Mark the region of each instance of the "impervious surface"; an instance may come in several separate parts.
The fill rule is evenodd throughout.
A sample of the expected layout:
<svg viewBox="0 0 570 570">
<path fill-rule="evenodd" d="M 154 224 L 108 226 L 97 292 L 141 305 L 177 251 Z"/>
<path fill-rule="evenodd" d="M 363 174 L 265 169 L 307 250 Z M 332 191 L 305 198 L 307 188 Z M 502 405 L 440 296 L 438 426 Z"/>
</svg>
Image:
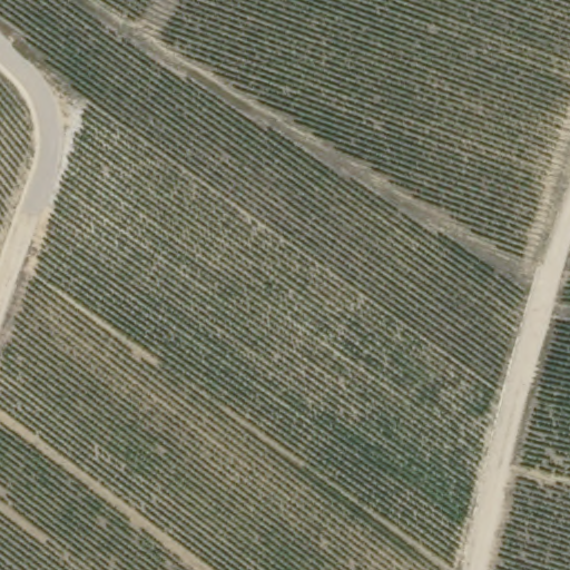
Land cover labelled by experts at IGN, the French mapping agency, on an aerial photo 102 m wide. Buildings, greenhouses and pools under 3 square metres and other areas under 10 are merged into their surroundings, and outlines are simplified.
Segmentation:
<svg viewBox="0 0 570 570">
<path fill-rule="evenodd" d="M 0 73 L 18 89 L 18 94 L 29 107 L 33 125 L 31 165 L 36 167 L 36 176 L 29 189 L 24 214 L 36 216 L 42 214 L 42 209 L 51 214 L 56 196 L 60 191 L 62 176 L 67 171 L 73 140 L 62 131 L 62 125 L 69 125 L 69 118 L 62 118 L 60 114 L 60 94 L 45 80 L 45 73 L 36 65 L 24 60 L 13 49 L 13 42 L 7 36 L 0 33 Z"/>
</svg>

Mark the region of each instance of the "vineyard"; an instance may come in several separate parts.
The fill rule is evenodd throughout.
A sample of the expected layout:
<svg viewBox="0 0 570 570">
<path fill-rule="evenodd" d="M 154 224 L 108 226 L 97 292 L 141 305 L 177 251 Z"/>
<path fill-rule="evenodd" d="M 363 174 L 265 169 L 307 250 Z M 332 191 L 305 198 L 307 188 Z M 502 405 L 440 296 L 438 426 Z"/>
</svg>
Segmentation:
<svg viewBox="0 0 570 570">
<path fill-rule="evenodd" d="M 18 89 L 0 73 L 0 229 L 7 216 L 7 198 L 13 194 L 13 189 L 22 187 L 31 165 L 33 125 L 29 107 L 18 94 Z"/>
<path fill-rule="evenodd" d="M 554 301 L 552 323 L 548 327 L 539 356 L 539 370 L 525 399 L 517 445 L 510 463 L 510 476 L 514 479 L 514 485 L 505 492 L 510 512 L 501 530 L 501 546 L 499 557 L 494 561 L 494 570 L 570 570 L 570 283 L 559 292 Z"/>
<path fill-rule="evenodd" d="M 0 33 L 7 36 L 13 42 L 13 49 L 24 60 L 36 65 L 45 73 L 45 80 L 60 94 L 78 94 L 87 100 L 87 107 L 82 111 L 82 127 L 73 140 L 67 171 L 62 176 L 60 191 L 56 196 L 51 214 L 38 267 L 24 292 L 24 303 L 20 314 L 16 316 L 11 341 L 0 350 L 0 570 L 463 570 L 463 557 L 456 552 L 456 548 L 461 543 L 463 521 L 468 519 L 472 505 L 476 470 L 483 459 L 483 436 L 492 425 L 492 416 L 488 412 L 492 403 L 497 403 L 499 399 L 505 365 L 523 321 L 523 307 L 532 289 L 537 267 L 543 263 L 546 252 L 550 247 L 561 203 L 570 207 L 570 0 L 0 0 Z"/>
</svg>

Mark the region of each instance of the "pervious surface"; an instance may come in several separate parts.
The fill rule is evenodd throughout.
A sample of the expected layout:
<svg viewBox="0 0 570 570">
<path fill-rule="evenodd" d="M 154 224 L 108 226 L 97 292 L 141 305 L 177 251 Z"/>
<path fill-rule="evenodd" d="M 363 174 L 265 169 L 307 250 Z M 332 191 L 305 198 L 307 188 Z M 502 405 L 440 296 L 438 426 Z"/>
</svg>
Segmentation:
<svg viewBox="0 0 570 570">
<path fill-rule="evenodd" d="M 16 316 L 20 314 L 24 303 L 24 292 L 38 267 L 51 214 L 42 209 L 42 214 L 36 216 L 24 214 L 29 189 L 36 176 L 36 167 L 31 165 L 22 187 L 13 189 L 13 194 L 7 198 L 7 216 L 0 229 L 0 350 L 11 341 Z"/>
<path fill-rule="evenodd" d="M 69 125 L 62 125 L 62 131 L 73 140 L 82 127 L 82 111 L 87 107 L 87 100 L 78 94 L 60 94 L 60 114 L 62 118 L 69 118 Z"/>
<path fill-rule="evenodd" d="M 514 485 L 514 479 L 510 476 L 510 463 L 517 445 L 525 399 L 539 370 L 539 356 L 548 327 L 552 323 L 554 301 L 559 292 L 570 283 L 570 207 L 561 203 L 550 247 L 546 252 L 543 263 L 537 267 L 532 289 L 523 307 L 523 321 L 505 365 L 499 399 L 497 403 L 492 403 L 488 412 L 492 416 L 492 425 L 483 436 L 483 459 L 476 470 L 472 505 L 468 519 L 463 521 L 461 543 L 456 548 L 456 552 L 463 557 L 463 570 L 494 570 L 494 561 L 499 557 L 501 546 L 501 530 L 510 512 L 505 492 Z"/>
</svg>

